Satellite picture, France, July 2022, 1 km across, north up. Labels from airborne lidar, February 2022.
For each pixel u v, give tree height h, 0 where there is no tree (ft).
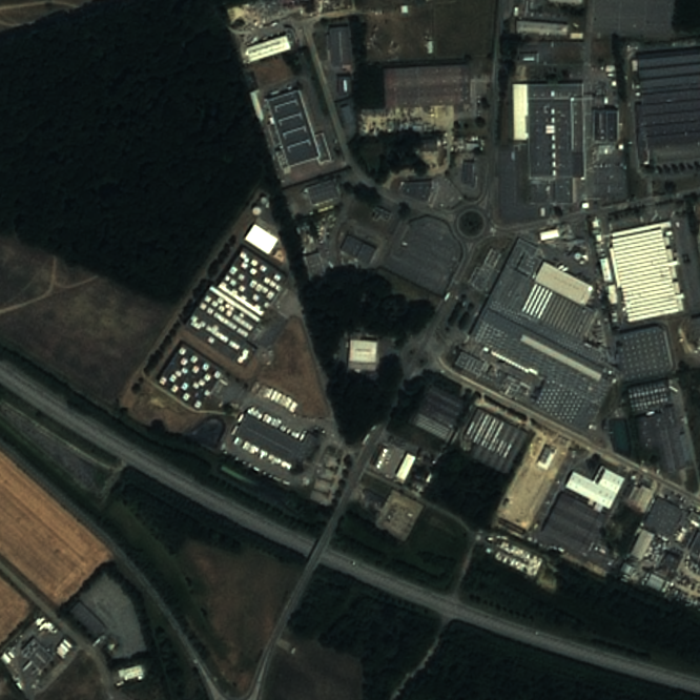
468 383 0
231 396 0
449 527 0
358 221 0
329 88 0
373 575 0
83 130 80
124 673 0
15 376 0
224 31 57
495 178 0
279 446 0
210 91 76
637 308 0
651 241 0
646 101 0
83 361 0
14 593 0
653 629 45
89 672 0
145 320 0
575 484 0
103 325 0
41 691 0
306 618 43
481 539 0
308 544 0
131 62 73
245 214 0
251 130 69
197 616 0
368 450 0
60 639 0
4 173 81
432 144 0
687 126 0
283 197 19
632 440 0
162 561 0
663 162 0
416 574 27
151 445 28
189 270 56
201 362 0
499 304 0
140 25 86
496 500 57
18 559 0
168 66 86
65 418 0
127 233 76
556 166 0
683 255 0
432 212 0
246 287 0
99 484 0
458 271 0
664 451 0
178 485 0
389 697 60
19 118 73
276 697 0
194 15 77
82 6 0
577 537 0
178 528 52
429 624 26
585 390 0
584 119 0
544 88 0
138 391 24
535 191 0
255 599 0
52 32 71
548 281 0
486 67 0
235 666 0
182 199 86
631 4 0
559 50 0
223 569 0
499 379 0
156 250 78
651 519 0
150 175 90
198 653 39
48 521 0
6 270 0
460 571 0
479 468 31
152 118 90
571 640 0
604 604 45
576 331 0
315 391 0
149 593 0
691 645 53
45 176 75
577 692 31
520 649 21
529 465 0
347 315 70
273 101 0
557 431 0
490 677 31
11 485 0
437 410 0
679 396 0
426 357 0
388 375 68
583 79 0
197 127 77
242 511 0
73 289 0
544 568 0
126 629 0
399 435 0
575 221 0
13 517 0
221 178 81
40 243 60
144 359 0
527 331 0
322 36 0
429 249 0
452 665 25
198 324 0
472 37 0
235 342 0
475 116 0
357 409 82
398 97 0
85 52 89
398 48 0
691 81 0
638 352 0
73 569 0
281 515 25
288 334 0
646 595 34
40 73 77
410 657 65
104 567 22
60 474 0
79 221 78
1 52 83
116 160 88
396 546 30
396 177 0
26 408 0
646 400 0
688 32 22
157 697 0
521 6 0
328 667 0
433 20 0
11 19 0
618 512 0
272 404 0
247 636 0
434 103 0
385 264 0
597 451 0
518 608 20
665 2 0
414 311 68
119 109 91
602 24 0
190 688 0
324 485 0
